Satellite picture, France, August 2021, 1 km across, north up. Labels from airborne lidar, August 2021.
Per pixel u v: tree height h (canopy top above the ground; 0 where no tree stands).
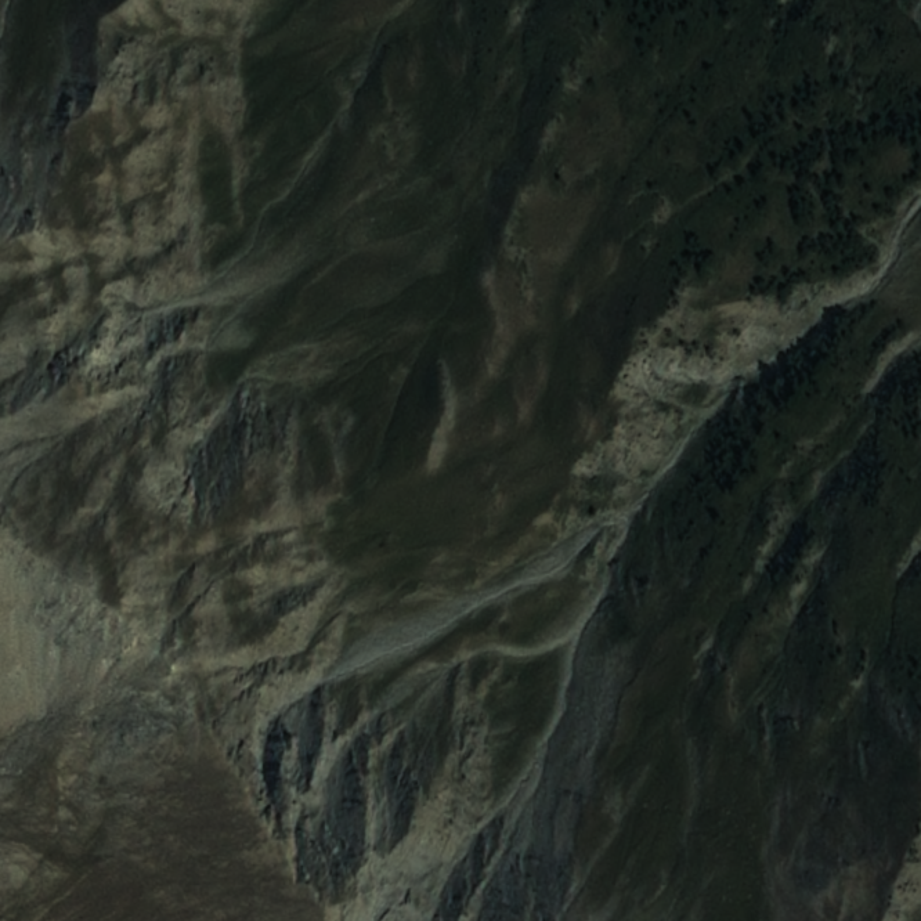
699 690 0
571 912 0
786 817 0
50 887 0
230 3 0
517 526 0
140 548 0
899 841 0
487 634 0
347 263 0
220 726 0
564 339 0
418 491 0
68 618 0
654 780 0
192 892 0
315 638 0
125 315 0
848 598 0
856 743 0
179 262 0
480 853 0
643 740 0
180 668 0
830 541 0
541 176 0
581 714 0
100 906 0
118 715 0
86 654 0
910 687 0
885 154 0
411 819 0
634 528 0
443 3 0
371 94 0
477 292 0
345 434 0
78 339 0
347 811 0
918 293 0
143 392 0
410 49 0
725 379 0
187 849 0
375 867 0
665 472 0
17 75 0
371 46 0
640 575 0
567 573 0
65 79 0
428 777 0
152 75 0
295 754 0
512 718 0
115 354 0
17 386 0
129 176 0
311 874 0
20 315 0
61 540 0
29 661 0
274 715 0
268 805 0
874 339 0
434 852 0
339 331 0
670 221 0
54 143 0
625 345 0
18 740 0
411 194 0
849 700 0
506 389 0
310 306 0
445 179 0
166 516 0
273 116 0
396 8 0
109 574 0
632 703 0
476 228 0
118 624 0
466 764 0
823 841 0
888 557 0
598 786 0
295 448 0
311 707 0
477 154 0
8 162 0
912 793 0
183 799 0
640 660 0
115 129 0
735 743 0
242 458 0
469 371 0
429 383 0
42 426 0
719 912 0
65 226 0
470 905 0
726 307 0
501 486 0
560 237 0
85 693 0
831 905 0
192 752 0
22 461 0
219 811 0
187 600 0
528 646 0
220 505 0
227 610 0
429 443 0
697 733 0
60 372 0
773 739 0
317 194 0
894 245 0
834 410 0
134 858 0
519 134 0
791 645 0
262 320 0
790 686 0
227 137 0
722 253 0
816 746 0
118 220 0
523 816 0
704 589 0
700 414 0
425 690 0
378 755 0
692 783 0
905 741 0
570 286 0
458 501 0
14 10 0
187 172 0
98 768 0
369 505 0
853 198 0
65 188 0
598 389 0
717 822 0
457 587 0
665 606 0
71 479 0
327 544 0
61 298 0
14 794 0
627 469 0
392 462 0
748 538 0
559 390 0
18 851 0
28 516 0
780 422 0
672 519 0
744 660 0
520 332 0
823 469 0
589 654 0
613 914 0
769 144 16
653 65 0
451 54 0
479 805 0
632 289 0
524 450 0
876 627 0
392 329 0
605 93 0
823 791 0
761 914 0
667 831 0
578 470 0
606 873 0
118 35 0
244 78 0
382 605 0
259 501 0
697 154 0
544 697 0
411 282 0
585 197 0
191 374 0
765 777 0
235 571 0
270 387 0
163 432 0
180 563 0
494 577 0
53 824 0
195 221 0
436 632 0
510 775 0
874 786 0
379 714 0
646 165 0
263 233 0
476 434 0
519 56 0
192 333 0
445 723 0
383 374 0
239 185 0
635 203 0
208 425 0
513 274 0
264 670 0
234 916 0
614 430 0
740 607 0
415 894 0
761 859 0
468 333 0
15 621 0
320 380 0
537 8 0
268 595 0
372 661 0
